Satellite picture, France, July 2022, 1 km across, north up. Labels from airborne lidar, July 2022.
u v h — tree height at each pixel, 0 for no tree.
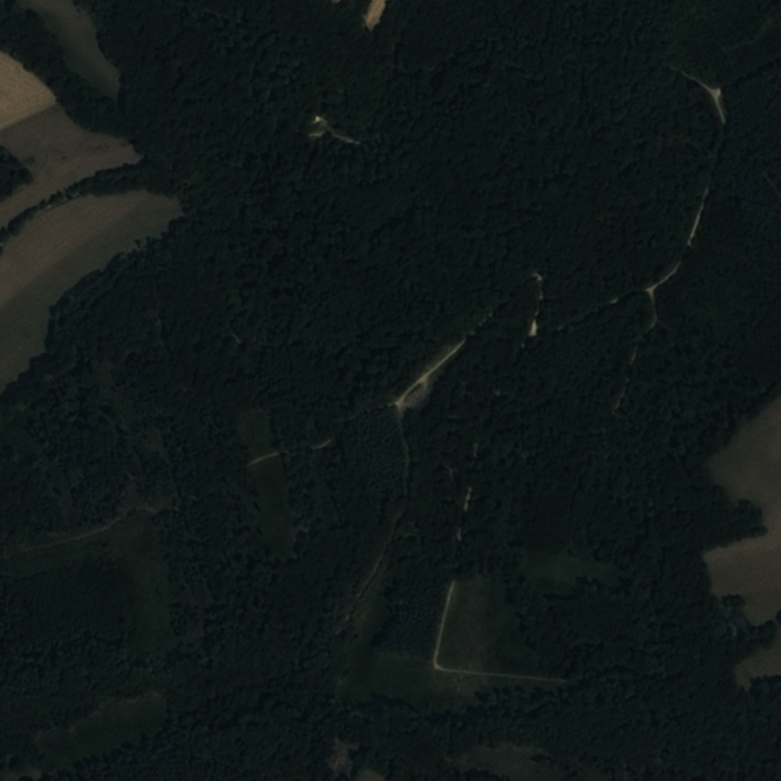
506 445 25
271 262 6
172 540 9
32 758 18
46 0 0
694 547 21
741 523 17
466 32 24
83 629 8
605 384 24
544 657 31
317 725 25
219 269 30
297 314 27
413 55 31
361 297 27
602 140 27
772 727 27
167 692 16
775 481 0
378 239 20
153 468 10
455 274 26
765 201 22
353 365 28
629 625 28
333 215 12
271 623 25
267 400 26
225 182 29
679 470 29
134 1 27
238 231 18
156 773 23
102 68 0
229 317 31
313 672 26
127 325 23
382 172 30
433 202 25
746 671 0
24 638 14
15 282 0
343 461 9
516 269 25
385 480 11
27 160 0
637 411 6
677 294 5
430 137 31
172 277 32
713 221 12
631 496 26
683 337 8
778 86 18
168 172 21
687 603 28
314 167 29
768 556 0
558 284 21
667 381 11
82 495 18
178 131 31
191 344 27
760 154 18
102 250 0
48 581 10
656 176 21
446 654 0
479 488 22
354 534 17
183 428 19
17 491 29
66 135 0
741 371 11
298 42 20
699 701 22
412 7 25
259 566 31
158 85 30
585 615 26
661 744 27
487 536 25
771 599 0
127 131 23
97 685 14
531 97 25
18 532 24
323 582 13
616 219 21
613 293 20
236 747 24
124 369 15
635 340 20
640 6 12
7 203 0
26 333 0
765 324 9
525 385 31
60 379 12
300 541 15
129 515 8
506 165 29
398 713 33
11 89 0
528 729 31
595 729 27
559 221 29
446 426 31
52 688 16
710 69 24
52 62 23
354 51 19
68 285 0
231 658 25
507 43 26
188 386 26
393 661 0
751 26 26
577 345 21
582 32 24
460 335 18
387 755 27
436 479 30
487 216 22
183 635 9
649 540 26
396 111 26
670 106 20
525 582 28
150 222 0
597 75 28
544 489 21
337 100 26
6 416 21
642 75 30
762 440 0
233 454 23
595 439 20
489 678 0
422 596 31
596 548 20
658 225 22
